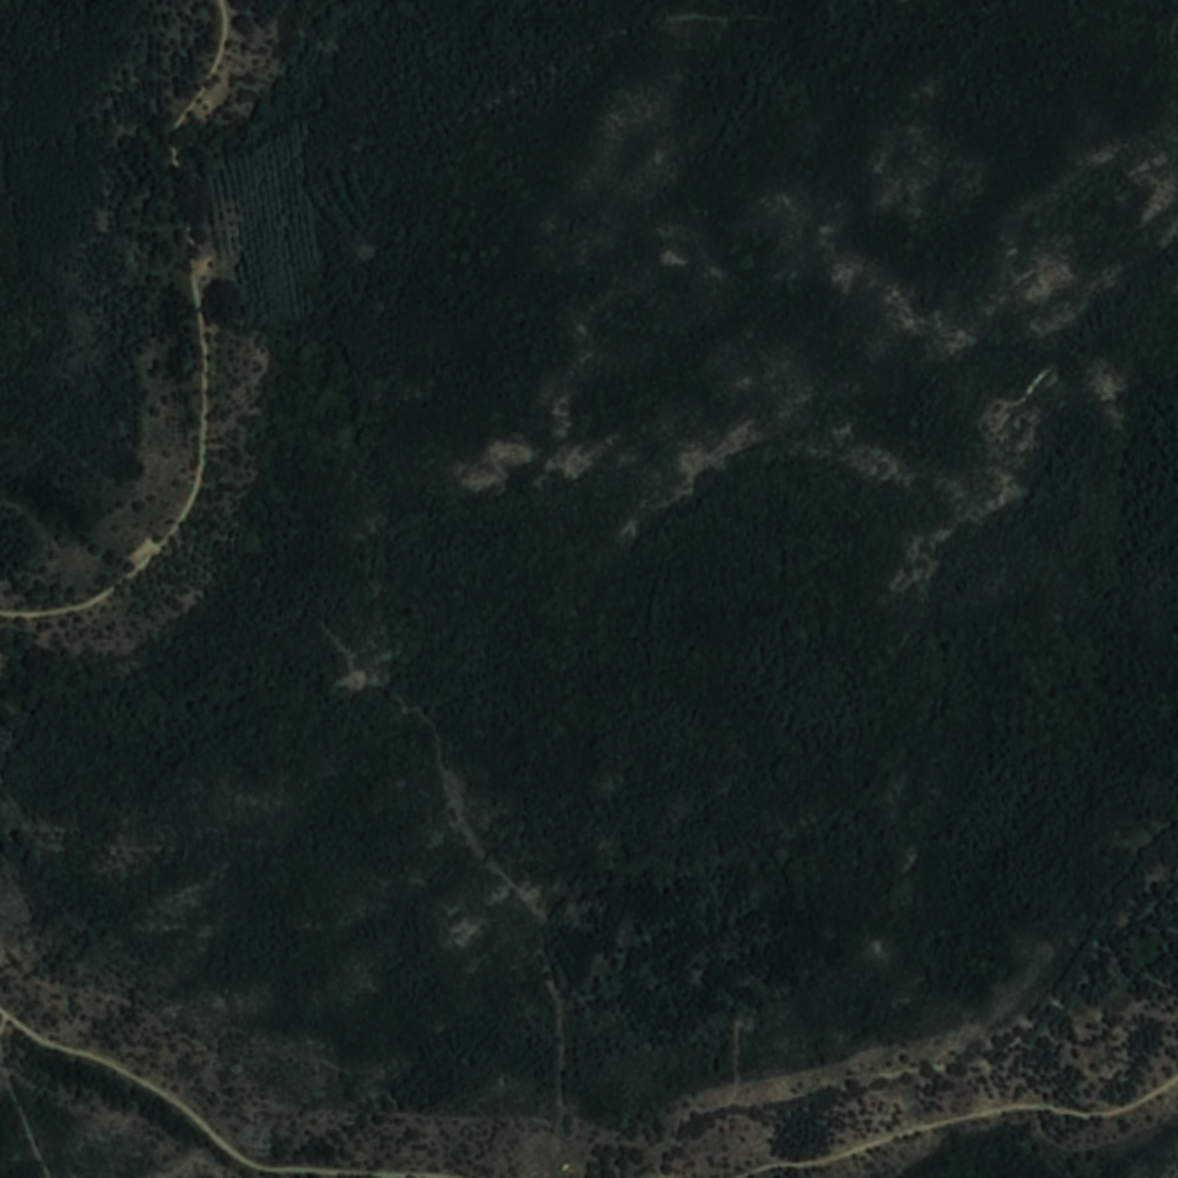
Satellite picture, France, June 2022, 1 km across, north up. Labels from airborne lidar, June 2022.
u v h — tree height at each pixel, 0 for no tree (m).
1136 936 13
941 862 9
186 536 7
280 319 14
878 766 11
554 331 6
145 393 6
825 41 9
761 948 8
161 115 10
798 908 6
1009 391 7
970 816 14
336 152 14
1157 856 10
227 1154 11
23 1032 7
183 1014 0
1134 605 9
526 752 5
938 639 13
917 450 6
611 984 16
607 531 6
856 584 7
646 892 16
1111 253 9
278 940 13
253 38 13
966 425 9
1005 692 11
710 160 14
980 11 8
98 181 14
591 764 7
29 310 6
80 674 11
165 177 7
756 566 10
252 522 10
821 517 9
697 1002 14
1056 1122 11
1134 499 7
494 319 5
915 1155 0
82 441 15
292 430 11
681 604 6
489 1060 12
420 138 14
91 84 11
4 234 7
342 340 16
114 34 22
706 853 13
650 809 17
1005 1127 6
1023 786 12
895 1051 0
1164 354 8
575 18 7
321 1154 12
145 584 7
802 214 0
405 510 7
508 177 9
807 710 19
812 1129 10
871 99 9
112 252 12
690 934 16
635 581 7
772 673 10
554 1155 0
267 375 6
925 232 6
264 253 17
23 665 11
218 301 21
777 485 6
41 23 11
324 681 17
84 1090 7
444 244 6
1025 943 0
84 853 7
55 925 7
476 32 7
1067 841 12
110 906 9
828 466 8
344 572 6
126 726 11
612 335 5
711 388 6
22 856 6
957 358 6
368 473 6
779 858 15
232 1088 7
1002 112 10
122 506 9
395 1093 10
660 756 12
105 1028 9
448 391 6
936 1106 8
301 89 9
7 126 15
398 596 7
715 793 10
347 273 14
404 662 9
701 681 6
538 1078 9
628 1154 11
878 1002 6
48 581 6
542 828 10
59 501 11
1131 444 9
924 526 7
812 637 14
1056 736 11
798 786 8
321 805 7
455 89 12
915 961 7
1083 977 12
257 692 11
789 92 11
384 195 8
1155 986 13
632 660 9
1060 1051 9
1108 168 7
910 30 6
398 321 11
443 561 12
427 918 5
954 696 11
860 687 15
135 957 9
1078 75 12
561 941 13
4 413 9
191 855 9
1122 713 14
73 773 9
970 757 7
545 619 7
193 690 18
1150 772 9
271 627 12
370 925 11
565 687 13
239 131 9
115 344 7
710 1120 10
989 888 7
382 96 15
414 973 14
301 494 8
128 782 10
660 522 7
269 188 14
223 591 9
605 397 7
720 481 6
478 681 11
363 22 9
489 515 10
